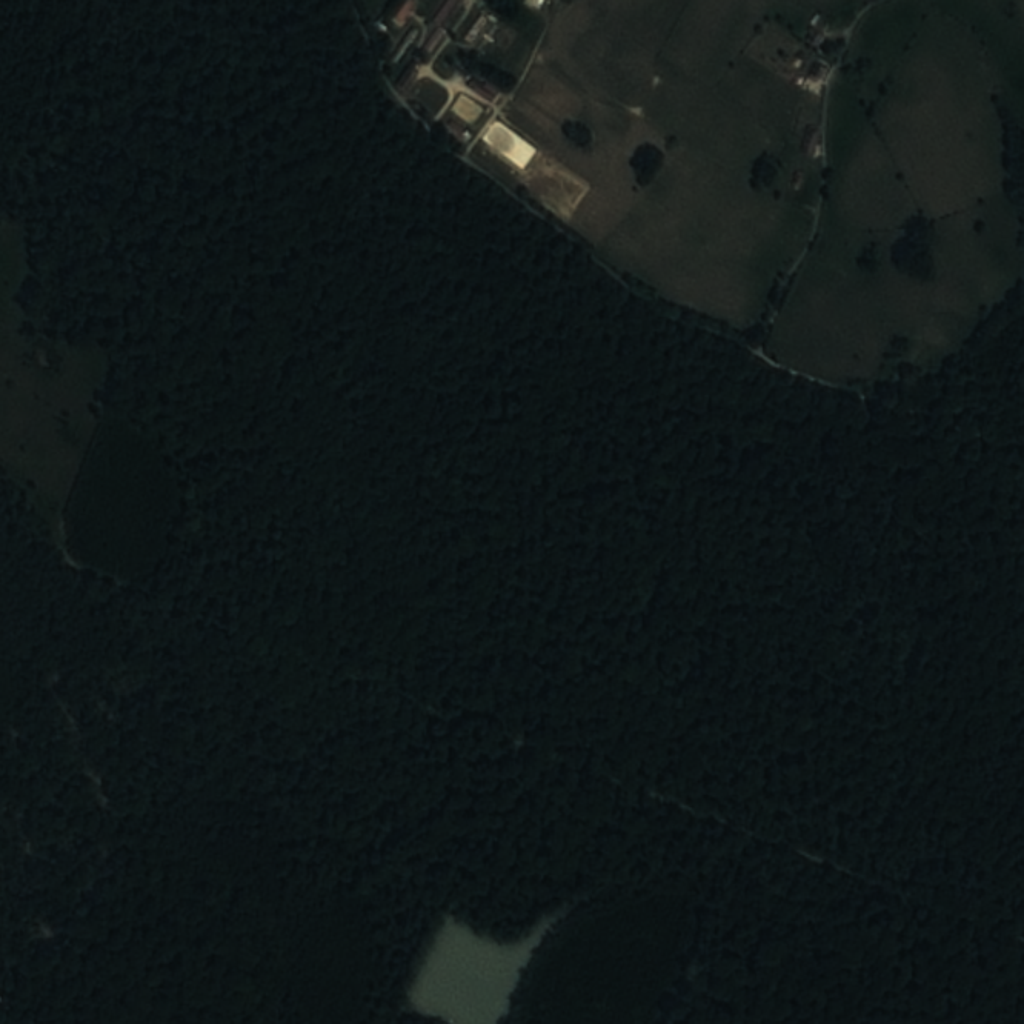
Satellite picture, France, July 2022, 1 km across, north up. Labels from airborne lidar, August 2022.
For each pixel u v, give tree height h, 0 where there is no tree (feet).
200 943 87
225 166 66
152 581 42
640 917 20
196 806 71
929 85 0
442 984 0
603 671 71
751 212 0
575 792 84
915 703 62
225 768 64
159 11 58
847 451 88
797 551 76
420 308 73
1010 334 43
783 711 58
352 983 34
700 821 46
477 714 56
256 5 35
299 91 79
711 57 0
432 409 70
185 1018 87
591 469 20
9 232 0
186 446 79
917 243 67
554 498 69
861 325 0
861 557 81
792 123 0
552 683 76
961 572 73
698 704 63
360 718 49
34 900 64
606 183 0
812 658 56
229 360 73
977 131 0
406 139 52
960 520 81
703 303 0
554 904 66
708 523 62
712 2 0
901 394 76
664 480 66
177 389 78
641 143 0
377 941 35
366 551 74
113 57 72
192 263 66
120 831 75
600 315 61
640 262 0
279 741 67
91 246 56
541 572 68
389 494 78
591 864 57
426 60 39
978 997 79
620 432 73
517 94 0
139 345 81
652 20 0
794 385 65
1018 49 0
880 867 36
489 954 0
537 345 73
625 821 71
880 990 68
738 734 53
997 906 80
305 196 77
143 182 75
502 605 63
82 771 47
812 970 93
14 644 67
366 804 64
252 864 65
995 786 43
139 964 86
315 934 39
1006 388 55
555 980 18
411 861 55
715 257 0
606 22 0
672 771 73
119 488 19
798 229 0
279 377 56
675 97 0
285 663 79
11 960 53
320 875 76
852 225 0
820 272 0
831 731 69
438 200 77
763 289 0
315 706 62
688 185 0
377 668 82
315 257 78
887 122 0
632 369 86
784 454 48
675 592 72
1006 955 84
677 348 79
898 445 93
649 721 83
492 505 73
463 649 73
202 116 75
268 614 71
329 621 74
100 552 18
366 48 40
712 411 79
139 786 65
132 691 29
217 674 73
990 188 0
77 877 75
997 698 72
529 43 0
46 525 28
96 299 78
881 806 72
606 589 79
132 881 62
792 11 0
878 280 0
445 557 77
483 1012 0
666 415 70
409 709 66
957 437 57
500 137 0
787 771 66
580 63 0
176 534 39
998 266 0
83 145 39
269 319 78
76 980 80
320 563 77
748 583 68
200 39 79
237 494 76
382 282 60
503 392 24
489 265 74
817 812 60
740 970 82
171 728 77
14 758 61
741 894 58
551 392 67
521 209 38
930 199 0
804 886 78
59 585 64
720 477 44
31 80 59
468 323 68
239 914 72
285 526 31
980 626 78
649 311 63
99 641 71
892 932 78
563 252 37
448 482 72
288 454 72
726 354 63
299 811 70
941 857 33
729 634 41
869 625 81
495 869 78
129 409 73
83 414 0
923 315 0
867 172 0
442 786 60
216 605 73
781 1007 89
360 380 67
